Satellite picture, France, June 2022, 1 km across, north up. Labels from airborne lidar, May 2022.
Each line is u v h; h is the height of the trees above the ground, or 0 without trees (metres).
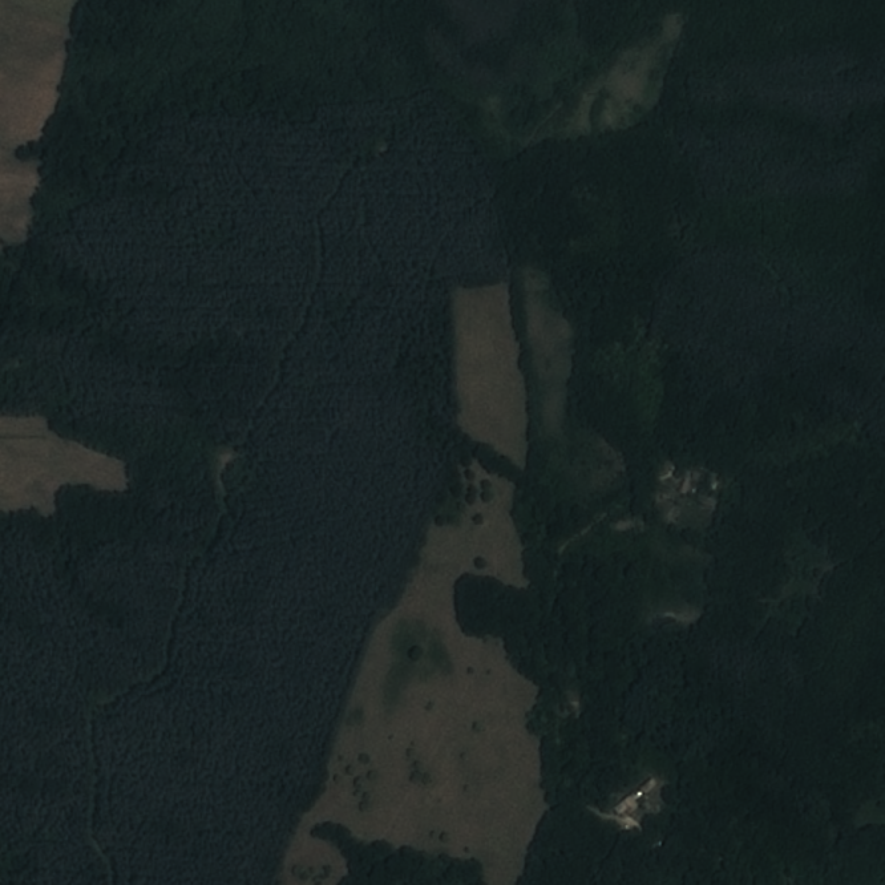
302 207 14
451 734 0
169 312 16
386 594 15
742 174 11
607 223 13
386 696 0
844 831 17
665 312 20
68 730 19
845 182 15
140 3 10
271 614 16
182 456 12
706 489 9
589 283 12
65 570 15
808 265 12
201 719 17
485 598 21
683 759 10
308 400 11
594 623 10
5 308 8
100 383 18
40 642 13
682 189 10
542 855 19
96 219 19
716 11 11
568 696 7
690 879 18
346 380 19
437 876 8
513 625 22
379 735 0
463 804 0
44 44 0
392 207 21
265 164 21
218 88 16
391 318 16
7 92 0
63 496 13
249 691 17
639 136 12
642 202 13
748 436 20
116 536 11
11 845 15
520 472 16
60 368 13
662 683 25
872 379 19
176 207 19
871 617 10
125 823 11
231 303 19
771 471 13
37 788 19
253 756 13
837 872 14
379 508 15
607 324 16
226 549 22
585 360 12
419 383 13
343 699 14
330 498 15
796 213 10
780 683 16
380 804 0
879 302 20
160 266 19
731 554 15
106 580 16
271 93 10
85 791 18
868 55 14
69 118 13
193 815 21
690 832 17
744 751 19
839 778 22
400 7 12
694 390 20
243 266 19
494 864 0
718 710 22
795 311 16
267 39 6
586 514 15
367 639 14
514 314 11
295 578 20
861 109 15
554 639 24
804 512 12
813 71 16
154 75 7
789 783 15
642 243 14
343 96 8
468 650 0
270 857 14
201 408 14
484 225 13
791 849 19
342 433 16
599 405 15
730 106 14
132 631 18
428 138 18
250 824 17
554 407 0
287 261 15
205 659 13
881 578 13
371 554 13
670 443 16
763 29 10
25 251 11
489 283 12
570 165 8
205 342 13
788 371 18
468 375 0
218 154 22
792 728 17
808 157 9
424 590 0
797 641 12
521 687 0
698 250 18
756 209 12
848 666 8
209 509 16
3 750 18
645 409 15
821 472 16
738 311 18
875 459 15
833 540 11
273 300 20
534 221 12
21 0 0
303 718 13
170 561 16
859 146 11
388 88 9
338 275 15
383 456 19
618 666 18
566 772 17
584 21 13
